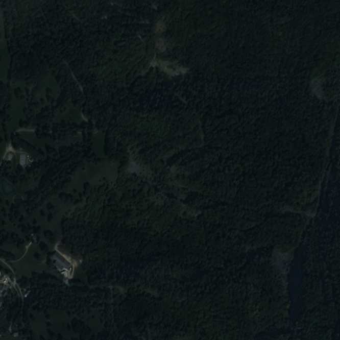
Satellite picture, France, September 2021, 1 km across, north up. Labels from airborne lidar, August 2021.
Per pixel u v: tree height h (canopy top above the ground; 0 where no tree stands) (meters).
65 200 12
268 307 16
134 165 0
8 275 12
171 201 7
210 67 22
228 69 27
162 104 27
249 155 28
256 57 24
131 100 27
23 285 20
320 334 19
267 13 31
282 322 12
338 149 17
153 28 11
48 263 11
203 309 14
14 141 20
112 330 28
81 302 18
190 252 20
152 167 12
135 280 27
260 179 27
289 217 23
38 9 21
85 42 20
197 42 20
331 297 11
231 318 29
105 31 21
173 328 23
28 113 14
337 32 38
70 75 18
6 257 16
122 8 17
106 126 17
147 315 27
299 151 23
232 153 30
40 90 21
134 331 0
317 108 8
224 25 9
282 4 30
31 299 9
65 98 20
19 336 8
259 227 22
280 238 24
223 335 19
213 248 20
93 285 17
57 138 10
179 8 13
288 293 8
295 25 28
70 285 12
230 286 19
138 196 19
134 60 6
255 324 18
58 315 0
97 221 14
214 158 23
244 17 23
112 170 0
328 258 16
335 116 15
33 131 0
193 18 24
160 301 15
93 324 0
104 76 15
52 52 17
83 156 18
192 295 26
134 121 14
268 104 34
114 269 19
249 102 22
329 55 30
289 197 17
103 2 22
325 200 7
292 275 10
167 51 11
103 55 10
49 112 15
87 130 16
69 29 25
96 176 0
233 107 24
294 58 31
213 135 22
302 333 17
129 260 21
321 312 21
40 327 0
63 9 21
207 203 20
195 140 11
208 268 24
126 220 17
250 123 29
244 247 26
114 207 16
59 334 0
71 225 16
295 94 32
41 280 23
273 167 29
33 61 21
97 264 14
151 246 21
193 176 13
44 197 17
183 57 25
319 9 38
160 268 22
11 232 0
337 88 9
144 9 23
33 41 19
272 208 13
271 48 20
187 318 22
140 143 6
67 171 21
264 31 28
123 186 11
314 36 33
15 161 0
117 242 18
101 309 12
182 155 17
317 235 10
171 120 7
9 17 19
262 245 15
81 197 12
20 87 0
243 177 6
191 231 21
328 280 15
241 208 19
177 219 16
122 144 11
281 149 33
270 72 23
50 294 11
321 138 24
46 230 0
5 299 7
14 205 0
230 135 29
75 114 0
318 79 0
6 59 0
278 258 0
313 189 16
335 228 17
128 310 21
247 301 28
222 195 25
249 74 33
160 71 18
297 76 42
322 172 10
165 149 24
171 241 16
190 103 26
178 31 14
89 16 22
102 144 0
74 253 8
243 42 22
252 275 19
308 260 20
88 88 21
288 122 25
